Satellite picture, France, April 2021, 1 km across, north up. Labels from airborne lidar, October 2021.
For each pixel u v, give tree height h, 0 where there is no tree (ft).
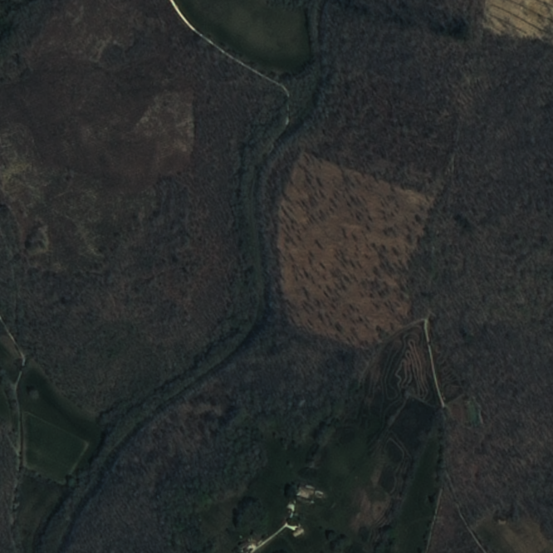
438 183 52
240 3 0
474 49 46
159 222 67
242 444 68
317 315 0
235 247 43
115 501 70
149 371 68
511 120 45
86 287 52
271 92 58
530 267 60
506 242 34
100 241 0
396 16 54
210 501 48
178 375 54
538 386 50
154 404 63
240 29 0
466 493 44
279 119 70
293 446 26
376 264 0
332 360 50
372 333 0
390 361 0
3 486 73
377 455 0
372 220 0
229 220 57
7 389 58
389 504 0
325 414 75
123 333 44
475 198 44
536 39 52
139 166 0
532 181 50
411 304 47
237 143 72
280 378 55
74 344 63
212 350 64
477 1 41
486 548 26
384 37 44
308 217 0
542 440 60
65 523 56
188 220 69
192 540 85
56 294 57
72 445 0
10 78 46
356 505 0
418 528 0
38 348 49
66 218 0
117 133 0
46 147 0
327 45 68
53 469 0
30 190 0
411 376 0
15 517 53
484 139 36
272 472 0
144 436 63
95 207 0
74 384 46
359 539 0
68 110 0
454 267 62
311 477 0
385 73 47
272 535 0
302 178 0
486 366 41
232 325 60
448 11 52
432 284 42
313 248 0
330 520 0
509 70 46
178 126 0
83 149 0
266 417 77
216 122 0
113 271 50
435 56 46
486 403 41
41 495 0
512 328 61
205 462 75
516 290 60
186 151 0
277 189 59
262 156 73
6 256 61
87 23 0
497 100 50
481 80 57
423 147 23
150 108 0
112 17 0
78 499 63
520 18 0
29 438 0
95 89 0
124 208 0
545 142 63
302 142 78
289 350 74
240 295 87
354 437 0
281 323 64
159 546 70
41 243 44
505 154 34
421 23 58
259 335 80
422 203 0
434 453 0
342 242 0
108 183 0
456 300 61
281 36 0
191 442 73
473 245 57
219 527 0
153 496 66
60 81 0
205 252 49
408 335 0
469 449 33
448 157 32
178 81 0
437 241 56
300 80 59
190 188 24
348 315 0
